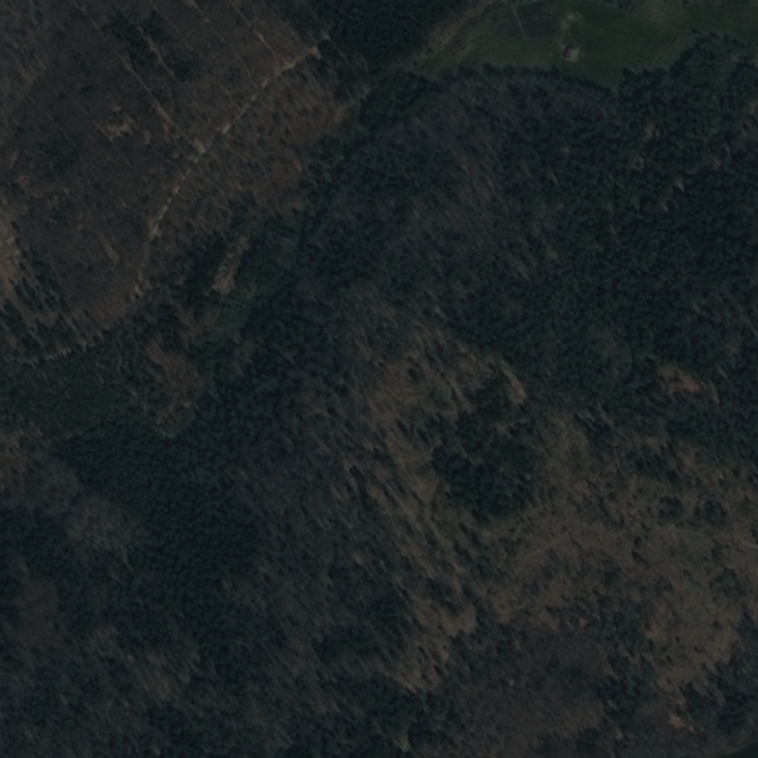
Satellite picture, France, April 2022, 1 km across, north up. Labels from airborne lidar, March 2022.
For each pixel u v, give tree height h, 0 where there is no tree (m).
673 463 24
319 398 7
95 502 20
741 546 0
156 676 25
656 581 0
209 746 21
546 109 24
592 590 0
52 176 10
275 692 29
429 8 20
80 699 22
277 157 8
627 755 31
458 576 23
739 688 29
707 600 0
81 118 10
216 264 14
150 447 28
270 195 11
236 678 34
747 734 26
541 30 0
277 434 23
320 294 27
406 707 25
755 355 26
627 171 30
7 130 17
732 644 0
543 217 24
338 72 12
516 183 24
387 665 24
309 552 24
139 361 24
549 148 29
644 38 0
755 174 28
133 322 11
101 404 20
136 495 27
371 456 28
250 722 24
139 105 11
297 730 21
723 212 25
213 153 19
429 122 28
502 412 7
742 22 0
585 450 0
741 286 26
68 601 23
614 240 23
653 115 25
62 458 15
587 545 0
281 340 13
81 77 10
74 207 12
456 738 27
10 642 16
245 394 18
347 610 22
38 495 8
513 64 0
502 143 24
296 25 13
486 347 30
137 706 23
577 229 31
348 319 27
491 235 25
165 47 11
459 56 0
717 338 20
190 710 22
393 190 20
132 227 10
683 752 31
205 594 29
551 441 0
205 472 26
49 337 24
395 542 28
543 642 12
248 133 20
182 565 28
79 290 11
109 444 18
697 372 23
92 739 26
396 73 31
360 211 24
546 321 37
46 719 24
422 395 0
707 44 16
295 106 23
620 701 28
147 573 31
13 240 0
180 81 8
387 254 23
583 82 0
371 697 23
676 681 0
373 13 26
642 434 25
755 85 24
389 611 29
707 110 16
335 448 26
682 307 33
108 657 30
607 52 0
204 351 12
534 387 22
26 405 22
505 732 13
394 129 29
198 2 7
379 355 24
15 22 27
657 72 0
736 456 30
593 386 31
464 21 23
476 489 29
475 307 21
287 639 24
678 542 0
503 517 32
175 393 16
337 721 21
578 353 29
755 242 29
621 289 28
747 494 0
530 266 30
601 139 29
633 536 29
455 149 27
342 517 24
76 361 20
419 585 24
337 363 25
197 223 20
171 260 10
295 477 21
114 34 10
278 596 26
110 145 10
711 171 7
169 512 31
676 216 21
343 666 20
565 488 0
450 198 23
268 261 34
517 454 6
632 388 34
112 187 11
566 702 17
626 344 38
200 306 15
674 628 0
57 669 20
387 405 0
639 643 23
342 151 9
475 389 23
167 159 8
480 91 29
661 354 25
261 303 17
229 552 29
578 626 9
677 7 0
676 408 24
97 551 22
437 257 24
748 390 23
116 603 21
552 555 0
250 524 25
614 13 0
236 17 7
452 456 25
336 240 30
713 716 26
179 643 18
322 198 14
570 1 0
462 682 23
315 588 26
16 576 19
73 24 11
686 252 32
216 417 38
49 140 8
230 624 23
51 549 28
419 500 0
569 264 24
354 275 29
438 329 14
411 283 21
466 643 22
